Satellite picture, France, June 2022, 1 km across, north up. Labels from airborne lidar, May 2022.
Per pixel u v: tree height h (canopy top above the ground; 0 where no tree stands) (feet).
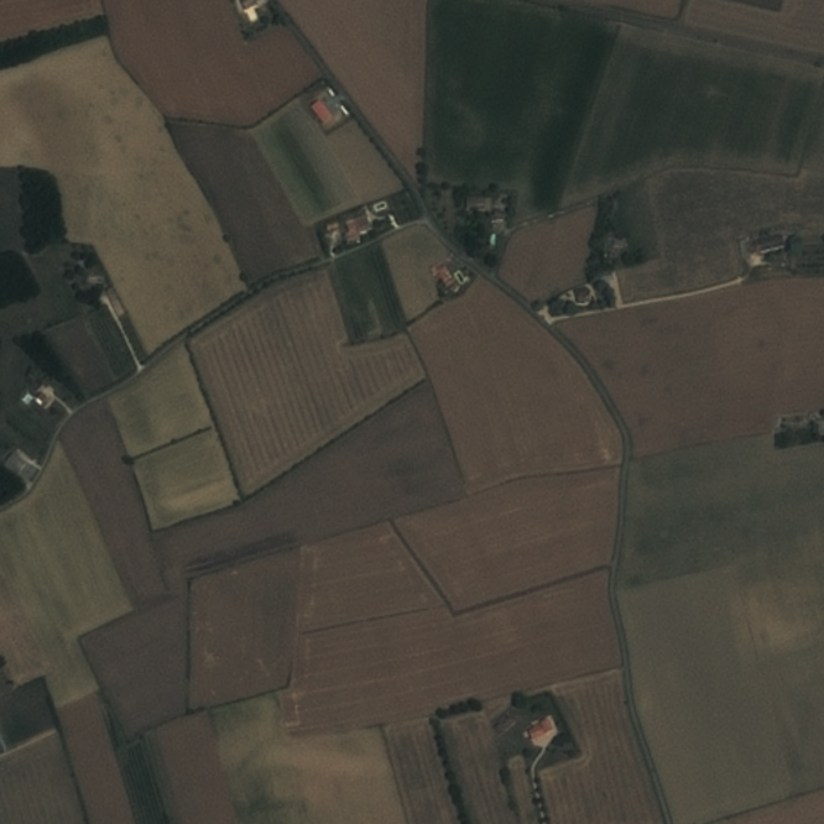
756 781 0
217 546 0
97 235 0
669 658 0
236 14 0
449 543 0
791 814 0
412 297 0
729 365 0
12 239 0
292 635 0
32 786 0
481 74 0
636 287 0
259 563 0
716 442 0
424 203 0
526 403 0
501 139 0
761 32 0
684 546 0
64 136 0
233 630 0
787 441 29
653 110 0
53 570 0
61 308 0
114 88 0
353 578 0
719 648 0
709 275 0
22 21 0
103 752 0
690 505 0
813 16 0
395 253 0
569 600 0
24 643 0
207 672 0
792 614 0
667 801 0
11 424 24
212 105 0
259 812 0
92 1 0
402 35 0
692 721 0
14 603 0
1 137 0
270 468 0
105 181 0
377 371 0
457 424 0
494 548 0
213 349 0
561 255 0
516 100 0
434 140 0
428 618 0
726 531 0
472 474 0
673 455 0
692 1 0
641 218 0
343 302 0
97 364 0
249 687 0
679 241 0
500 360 0
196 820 0
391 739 0
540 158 0
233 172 0
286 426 0
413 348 0
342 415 0
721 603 0
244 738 0
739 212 0
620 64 0
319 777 0
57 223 33
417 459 0
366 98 0
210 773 0
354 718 0
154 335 0
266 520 0
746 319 0
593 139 0
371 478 0
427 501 0
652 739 0
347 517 0
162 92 0
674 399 0
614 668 0
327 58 0
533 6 0
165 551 0
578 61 0
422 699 0
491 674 0
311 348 0
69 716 0
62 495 0
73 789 0
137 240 0
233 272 0
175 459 0
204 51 0
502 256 0
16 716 0
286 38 0
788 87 0
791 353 0
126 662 0
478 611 0
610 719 0
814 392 0
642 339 0
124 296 0
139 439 0
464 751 0
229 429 0
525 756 26
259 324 0
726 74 0
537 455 0
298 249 0
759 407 0
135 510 0
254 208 0
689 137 0
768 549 0
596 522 0
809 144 0
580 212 0
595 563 0
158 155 0
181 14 0
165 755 0
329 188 0
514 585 0
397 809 0
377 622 0
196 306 0
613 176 0
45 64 0
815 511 0
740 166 0
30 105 0
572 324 0
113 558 0
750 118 0
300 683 0
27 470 0
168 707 0
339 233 0
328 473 0
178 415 0
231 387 0
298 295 0
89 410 0
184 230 0
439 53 0
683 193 0
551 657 0
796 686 0
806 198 0
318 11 0
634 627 0
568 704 0
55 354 27
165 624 0
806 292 0
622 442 0
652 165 0
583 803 0
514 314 0
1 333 0
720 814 0
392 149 0
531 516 0
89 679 0
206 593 0
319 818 0
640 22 0
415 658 0
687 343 0
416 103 0
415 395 0
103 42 0
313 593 0
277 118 0
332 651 0
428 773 0
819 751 0
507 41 0
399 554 0
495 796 0
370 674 0
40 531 0
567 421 0
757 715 0
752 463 0
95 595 0
